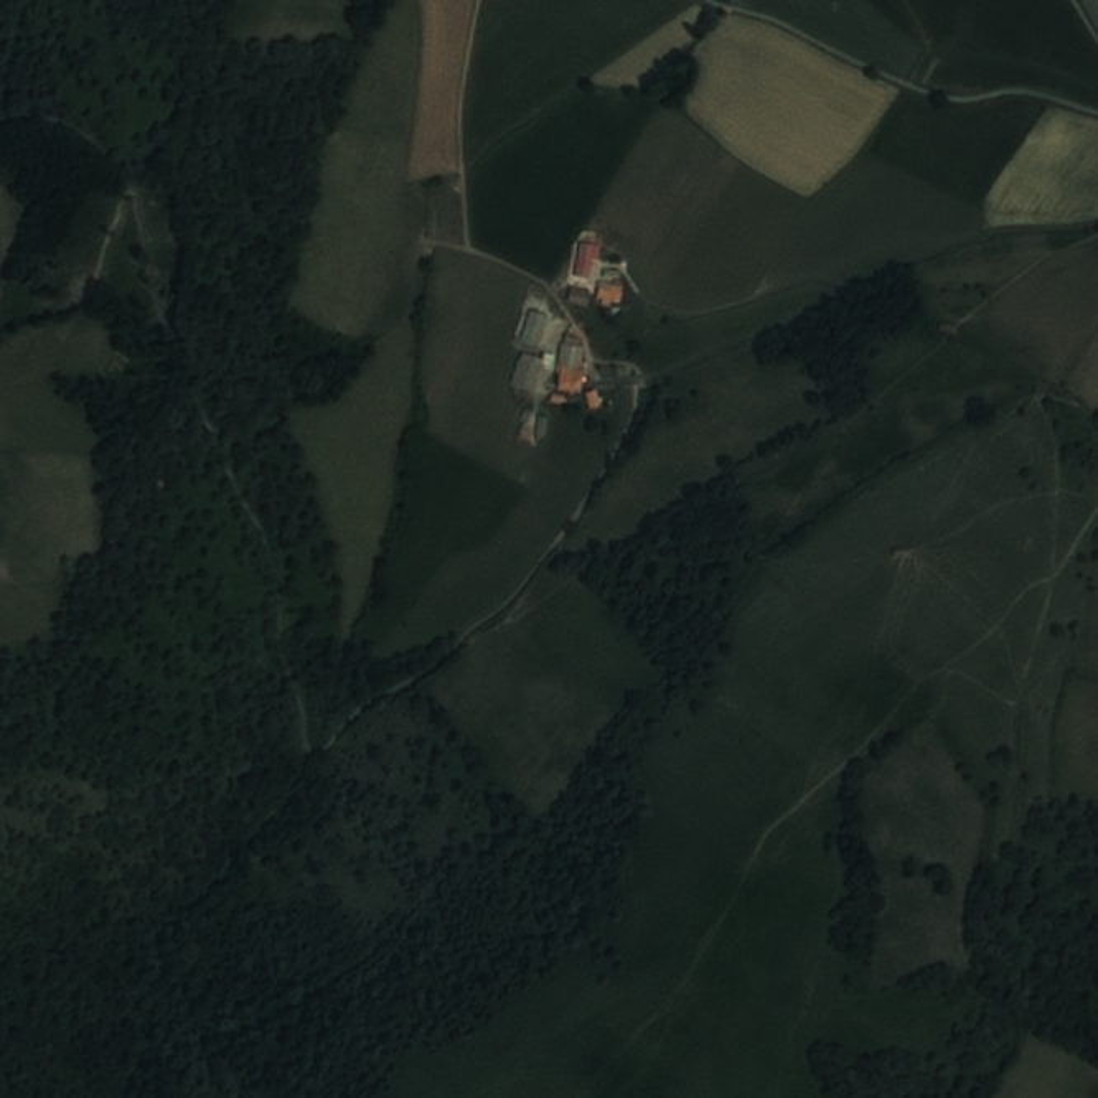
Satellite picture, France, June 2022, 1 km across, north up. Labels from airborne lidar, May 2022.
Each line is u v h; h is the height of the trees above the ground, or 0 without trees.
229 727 10
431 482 0
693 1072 0
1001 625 0
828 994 0
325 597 0
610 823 13
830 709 0
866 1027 0
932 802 0
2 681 17
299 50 19
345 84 16
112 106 8
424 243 0
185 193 15
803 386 0
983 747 0
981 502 0
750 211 0
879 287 19
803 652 0
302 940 7
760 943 0
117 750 15
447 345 0
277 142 16
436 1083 0
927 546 0
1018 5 0
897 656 0
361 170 0
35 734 11
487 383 0
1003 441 0
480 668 0
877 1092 20
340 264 0
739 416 0
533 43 0
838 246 0
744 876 0
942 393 0
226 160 15
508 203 0
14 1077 15
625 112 0
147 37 11
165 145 14
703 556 13
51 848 9
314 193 22
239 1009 8
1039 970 16
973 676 0
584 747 0
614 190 0
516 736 0
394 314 0
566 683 0
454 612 0
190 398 10
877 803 0
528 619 0
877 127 0
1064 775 0
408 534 0
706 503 13
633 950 0
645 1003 0
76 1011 15
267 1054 14
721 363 0
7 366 0
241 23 0
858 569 0
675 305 0
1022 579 0
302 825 12
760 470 0
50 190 16
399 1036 9
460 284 0
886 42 0
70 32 7
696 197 0
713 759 0
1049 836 14
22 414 0
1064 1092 0
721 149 0
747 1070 0
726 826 0
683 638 17
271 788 17
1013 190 0
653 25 0
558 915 11
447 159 0
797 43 0
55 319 17
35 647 13
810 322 16
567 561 15
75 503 0
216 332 14
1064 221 0
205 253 17
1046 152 0
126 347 14
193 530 9
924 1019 0
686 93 14
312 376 23
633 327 0
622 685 0
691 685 9
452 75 0
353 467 0
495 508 0
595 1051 0
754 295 0
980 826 0
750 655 0
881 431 0
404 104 0
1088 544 0
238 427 21
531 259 0
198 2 18
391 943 10
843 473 0
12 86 12
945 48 0
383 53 0
